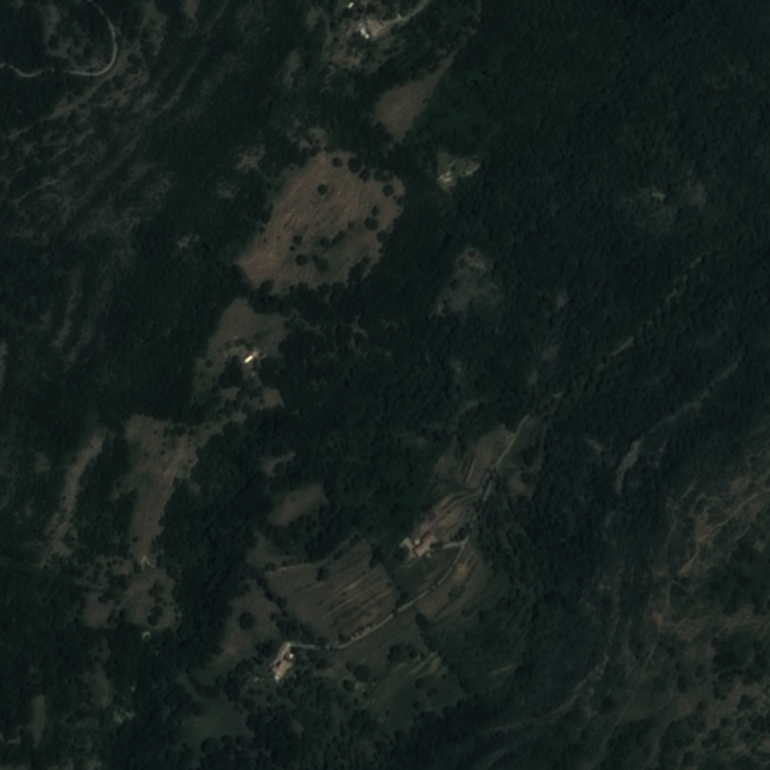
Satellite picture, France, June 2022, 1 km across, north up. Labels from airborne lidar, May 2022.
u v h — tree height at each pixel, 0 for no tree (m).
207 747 15
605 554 10
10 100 9
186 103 6
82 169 6
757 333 7
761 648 9
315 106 10
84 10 7
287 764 10
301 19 7
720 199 9
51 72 11
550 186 11
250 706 15
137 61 6
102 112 7
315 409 20
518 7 13
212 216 8
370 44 7
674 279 12
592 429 11
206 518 13
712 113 7
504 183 9
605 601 6
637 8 27
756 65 12
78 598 12
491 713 7
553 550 14
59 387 13
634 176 14
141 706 18
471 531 7
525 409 7
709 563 0
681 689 7
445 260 17
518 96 11
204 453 12
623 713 0
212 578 23
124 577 12
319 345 15
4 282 8
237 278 15
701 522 0
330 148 6
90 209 7
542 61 15
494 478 12
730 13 14
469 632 5
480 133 11
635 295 8
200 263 7
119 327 12
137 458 0
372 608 0
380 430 9
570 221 12
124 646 11
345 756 11
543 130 12
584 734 9
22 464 10
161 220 13
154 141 9
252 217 8
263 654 9
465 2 7
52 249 10
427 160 11
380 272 17
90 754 7
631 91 11
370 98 13
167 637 15
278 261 0
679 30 7
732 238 9
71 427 16
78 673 16
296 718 10
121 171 9
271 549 0
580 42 9
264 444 13
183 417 16
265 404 6
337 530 10
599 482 14
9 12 11
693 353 5
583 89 11
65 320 6
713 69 10
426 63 10
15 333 6
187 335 15
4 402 10
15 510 10
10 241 7
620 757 7
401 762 9
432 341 10
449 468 0
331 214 0
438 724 15
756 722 8
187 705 15
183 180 7
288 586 0
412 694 0
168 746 18
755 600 7
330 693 10
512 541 13
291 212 0
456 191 9
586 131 15
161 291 15
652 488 8
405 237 17
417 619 8
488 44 9
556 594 12
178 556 11
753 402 10
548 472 9
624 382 13
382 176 10
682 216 9
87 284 11
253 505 19
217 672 0
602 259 11
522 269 13
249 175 8
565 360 10
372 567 6
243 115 14
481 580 0
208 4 7
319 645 9
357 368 14
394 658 9
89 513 11
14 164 9
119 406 14
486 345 7
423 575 0
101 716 11
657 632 0
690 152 9
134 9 8
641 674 0
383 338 9
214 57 11
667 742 7
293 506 0
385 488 9
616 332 9
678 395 7
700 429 9
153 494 0
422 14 7
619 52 9
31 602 12
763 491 0
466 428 8
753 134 10
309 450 16
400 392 9
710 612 0
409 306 20
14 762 19
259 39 7
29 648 14
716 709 0
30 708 10
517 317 10
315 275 0
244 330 0
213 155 9
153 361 13
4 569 17
